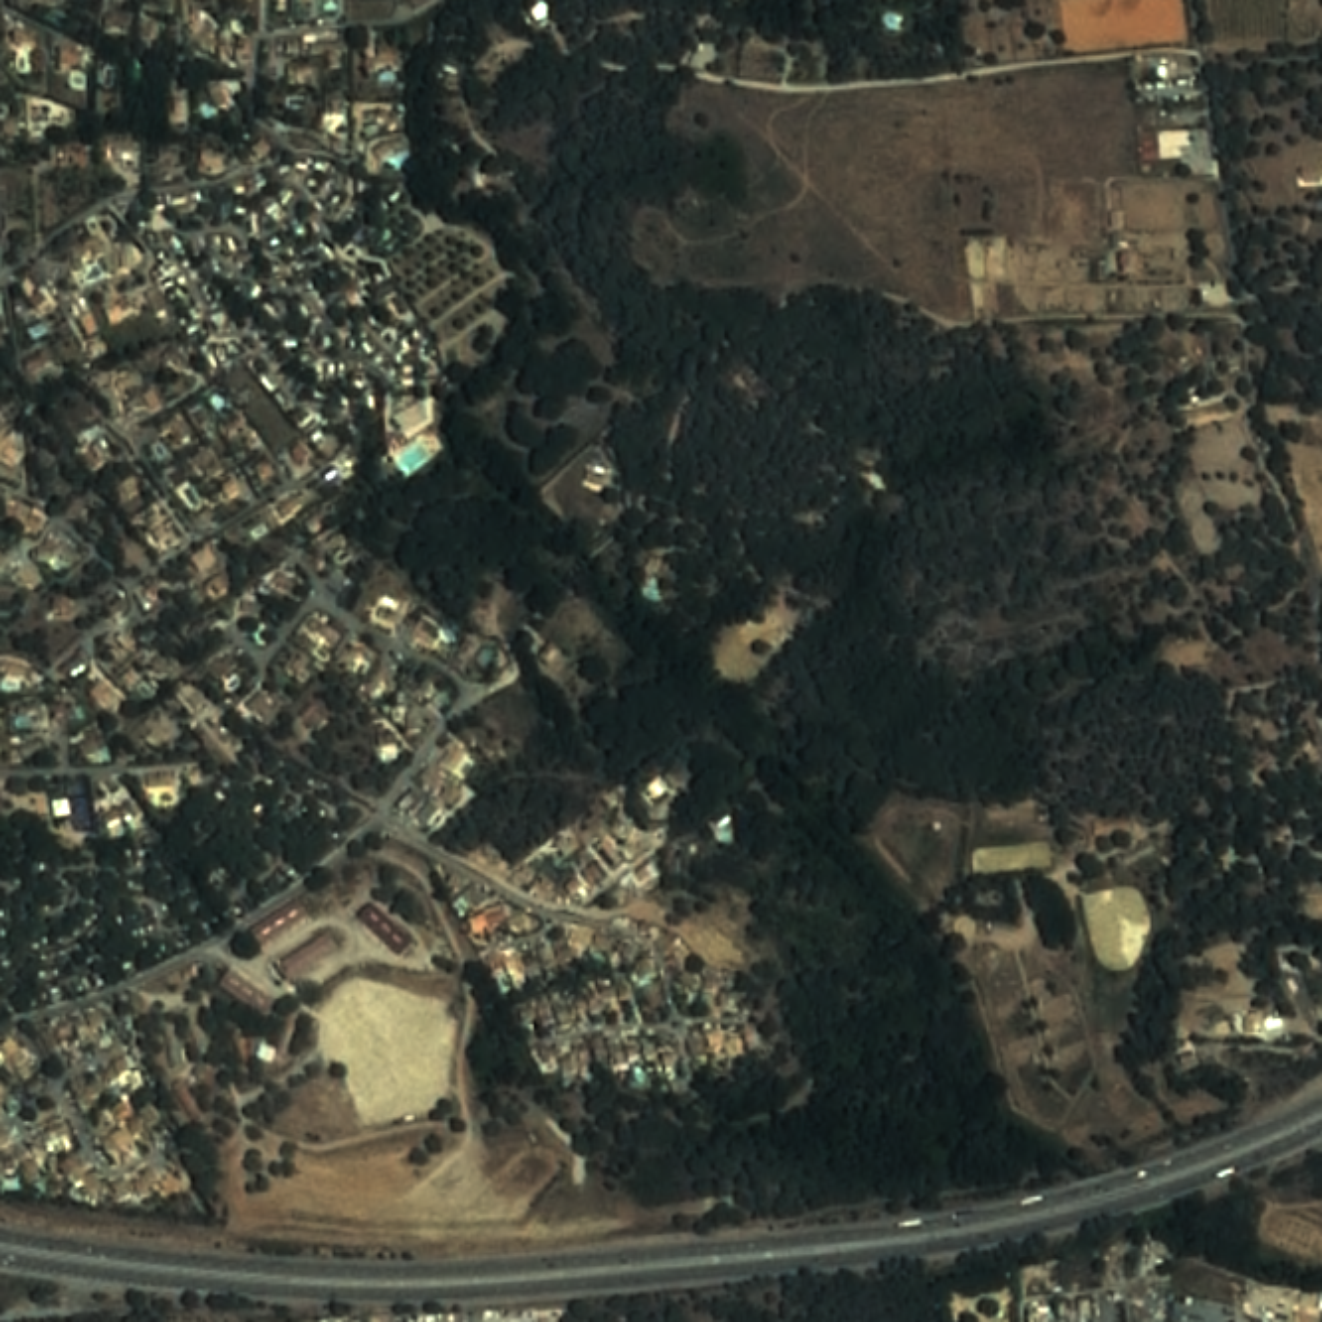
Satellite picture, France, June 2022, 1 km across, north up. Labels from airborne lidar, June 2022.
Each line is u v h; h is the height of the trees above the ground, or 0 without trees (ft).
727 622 33
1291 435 49
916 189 0
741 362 28
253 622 35
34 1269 0
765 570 50
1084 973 0
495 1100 24
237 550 31
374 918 0
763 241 0
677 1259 0
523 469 38
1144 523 0
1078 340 40
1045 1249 39
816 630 58
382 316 38
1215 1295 0
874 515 39
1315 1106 0
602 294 39
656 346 46
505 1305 0
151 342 27
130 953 32
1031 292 0
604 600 47
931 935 43
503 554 58
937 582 34
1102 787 31
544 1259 0
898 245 0
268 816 24
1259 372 22
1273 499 29
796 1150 68
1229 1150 0
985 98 0
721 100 0
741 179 0
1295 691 32
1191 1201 25
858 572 56
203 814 37
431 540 54
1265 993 50
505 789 26
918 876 0
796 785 45
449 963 28
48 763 37
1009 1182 48
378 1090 0
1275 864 39
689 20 26
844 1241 0
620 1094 23
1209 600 26
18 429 25
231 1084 31
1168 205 0
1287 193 0
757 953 0
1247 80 40
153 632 26
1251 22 0
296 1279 0
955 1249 0
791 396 41
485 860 0
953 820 0
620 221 24
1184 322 45
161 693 28
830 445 43
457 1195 0
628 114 37
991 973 0
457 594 64
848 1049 29
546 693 49
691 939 0
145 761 25
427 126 45
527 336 49
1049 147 0
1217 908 37
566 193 47
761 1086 38
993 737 54
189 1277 0
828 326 52
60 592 35
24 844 28
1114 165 0
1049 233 0
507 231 47
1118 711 32
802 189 0
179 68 34
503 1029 34
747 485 29
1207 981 41
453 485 47
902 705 49
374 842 32
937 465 29
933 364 33
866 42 38
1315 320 67
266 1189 28
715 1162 44
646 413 43
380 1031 0
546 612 47
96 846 32
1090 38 0
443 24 35
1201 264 38
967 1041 30
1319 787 37
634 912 0
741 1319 33
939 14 37
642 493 31
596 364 52
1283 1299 0
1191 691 43
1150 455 35
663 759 63
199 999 33
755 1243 0
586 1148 38
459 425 63
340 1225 0
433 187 65
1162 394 39
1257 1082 0
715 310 52
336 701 35
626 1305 24
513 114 33
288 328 28
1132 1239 44
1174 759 29
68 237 28
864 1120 40
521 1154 0
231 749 0
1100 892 0
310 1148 0
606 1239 0
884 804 40
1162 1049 24
